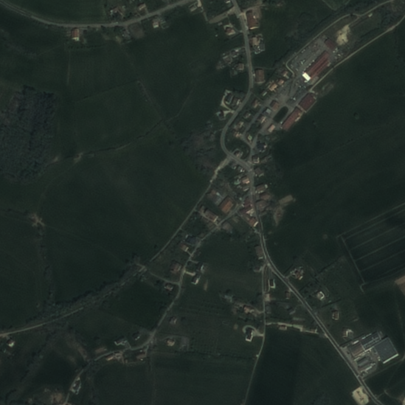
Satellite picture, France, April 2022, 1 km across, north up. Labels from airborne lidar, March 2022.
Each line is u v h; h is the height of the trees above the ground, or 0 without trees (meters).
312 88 0
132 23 0
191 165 0
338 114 0
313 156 0
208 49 0
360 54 0
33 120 21
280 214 0
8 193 0
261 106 0
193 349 7
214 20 0
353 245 0
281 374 0
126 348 0
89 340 0
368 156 0
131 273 17
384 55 0
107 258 0
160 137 0
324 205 0
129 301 0
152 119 0
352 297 0
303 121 0
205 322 0
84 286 0
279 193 0
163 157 0
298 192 0
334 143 0
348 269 0
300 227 0
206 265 0
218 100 0
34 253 0
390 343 0
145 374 0
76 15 0
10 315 0
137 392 0
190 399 0
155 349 9
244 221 0
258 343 0
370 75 0
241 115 8
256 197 0
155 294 0
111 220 0
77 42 0
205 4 0
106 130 0
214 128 0
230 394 0
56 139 0
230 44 0
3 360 0
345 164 0
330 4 0
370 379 0
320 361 0
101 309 0
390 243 0
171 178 0
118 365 0
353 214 0
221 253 0
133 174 0
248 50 0
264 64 0
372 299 0
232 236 0
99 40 0
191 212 0
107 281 0
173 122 0
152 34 0
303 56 0
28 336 0
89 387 0
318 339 0
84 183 0
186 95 0
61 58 0
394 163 0
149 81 0
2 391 0
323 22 7
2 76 0
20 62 0
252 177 0
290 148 0
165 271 0
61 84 0
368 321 0
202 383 0
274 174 0
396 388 0
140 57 0
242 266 0
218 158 0
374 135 0
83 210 0
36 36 0
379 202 0
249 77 0
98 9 0
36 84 0
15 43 0
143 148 0
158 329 14
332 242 0
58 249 0
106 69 0
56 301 0
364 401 0
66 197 0
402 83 0
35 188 0
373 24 0
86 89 0
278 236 0
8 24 0
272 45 0
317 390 0
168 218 0
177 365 0
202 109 0
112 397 0
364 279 0
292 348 0
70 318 7
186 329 0
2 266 0
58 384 0
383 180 0
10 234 0
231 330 0
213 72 0
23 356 0
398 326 0
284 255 0
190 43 0
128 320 0
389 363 0
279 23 0
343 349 0
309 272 0
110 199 0
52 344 14
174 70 0
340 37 0
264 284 0
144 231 0
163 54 0
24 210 0
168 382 0
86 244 0
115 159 0
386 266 0
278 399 0
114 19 10
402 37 0
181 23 0
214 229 0
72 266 0
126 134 0
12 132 22
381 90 0
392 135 0
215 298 0
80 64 0
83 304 12
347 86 0
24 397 0
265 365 0
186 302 0
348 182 0
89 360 0
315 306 6
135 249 0
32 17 0
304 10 0
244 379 0
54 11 0
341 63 0
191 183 0
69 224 0
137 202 0
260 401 0
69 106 0
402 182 0
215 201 0
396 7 0
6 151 19
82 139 0
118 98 0
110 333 0
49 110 19
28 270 0
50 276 12
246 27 0
